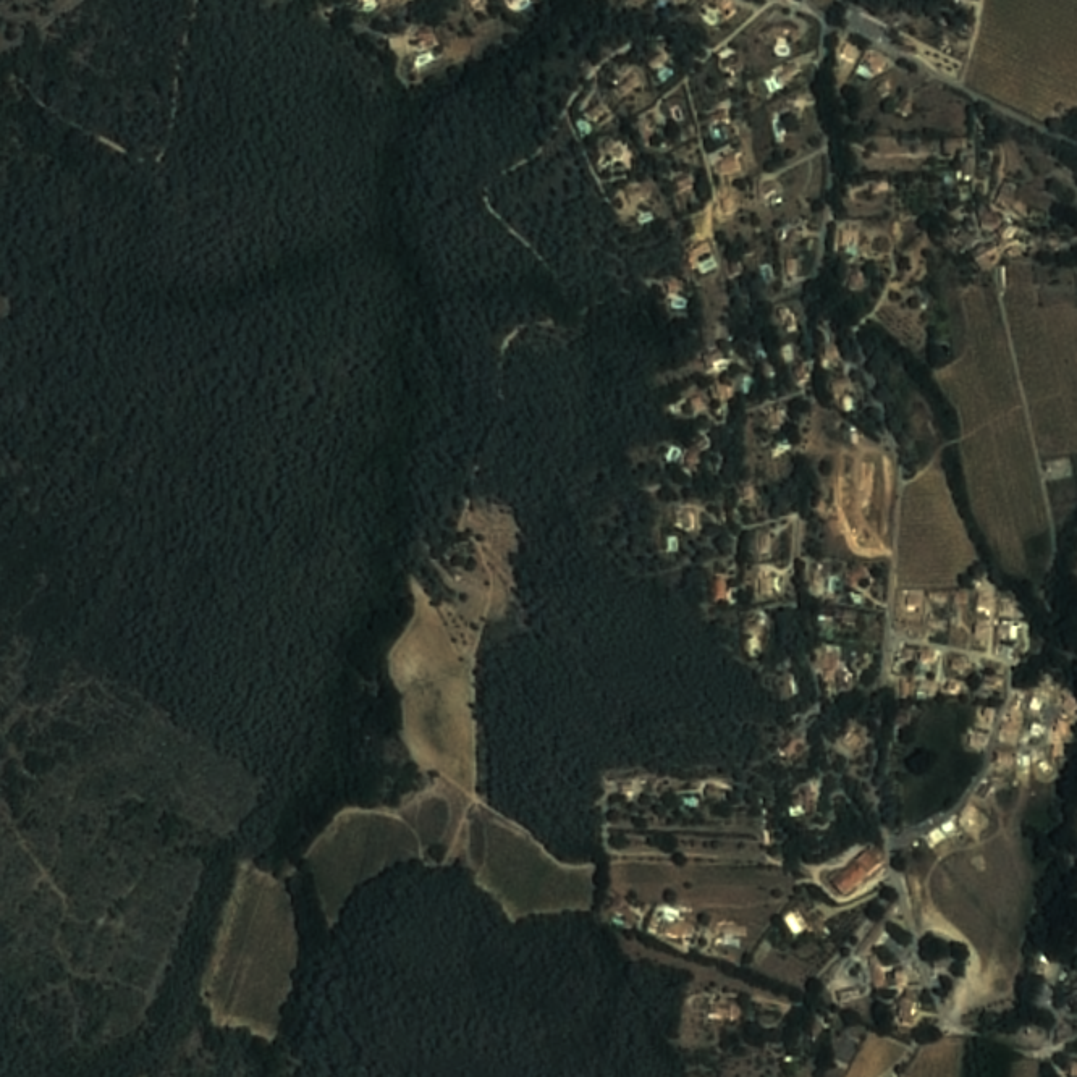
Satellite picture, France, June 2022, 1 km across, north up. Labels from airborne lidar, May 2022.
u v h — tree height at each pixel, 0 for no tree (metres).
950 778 0
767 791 16
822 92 15
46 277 9
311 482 19
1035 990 23
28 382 17
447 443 19
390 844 0
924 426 0
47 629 6
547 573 14
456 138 18
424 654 0
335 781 16
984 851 0
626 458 12
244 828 17
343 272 20
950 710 0
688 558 19
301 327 13
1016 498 0
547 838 14
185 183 18
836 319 19
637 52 16
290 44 16
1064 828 15
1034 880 0
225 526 15
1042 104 0
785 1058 6
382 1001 14
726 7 0
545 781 13
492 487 16
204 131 14
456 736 0
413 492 12
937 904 0
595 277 14
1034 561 0
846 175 12
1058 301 0
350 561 13
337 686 18
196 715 20
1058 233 11
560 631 19
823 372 15
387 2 0
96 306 8
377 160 9
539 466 16
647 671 18
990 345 0
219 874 12
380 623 24
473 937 9
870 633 0
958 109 0
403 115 13
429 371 19
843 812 11
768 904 0
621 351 16
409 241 18
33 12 16
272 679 19
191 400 8
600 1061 9
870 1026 8
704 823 8
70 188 18
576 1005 10
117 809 6
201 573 10
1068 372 0
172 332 16
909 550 0
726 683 16
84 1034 7
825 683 7
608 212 19
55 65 12
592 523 17
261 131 15
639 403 15
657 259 16
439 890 11
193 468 6
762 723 14
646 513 20
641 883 0
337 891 0
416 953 15
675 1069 15
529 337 12
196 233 18
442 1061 7
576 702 15
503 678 11
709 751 20
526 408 18
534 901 0
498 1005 15
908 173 10
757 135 0
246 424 22
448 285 15
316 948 22
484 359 19
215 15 21
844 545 0
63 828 10
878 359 23
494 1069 6
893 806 20
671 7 13
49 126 19
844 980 0
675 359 14
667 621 16
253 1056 14
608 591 17
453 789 0
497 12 10
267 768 16
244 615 18
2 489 8
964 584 11
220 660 16
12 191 6
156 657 19
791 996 8
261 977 0
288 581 18
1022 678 10
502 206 12
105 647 7
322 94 18
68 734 10
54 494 15
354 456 20
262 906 0
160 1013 14
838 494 0
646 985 20
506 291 12
